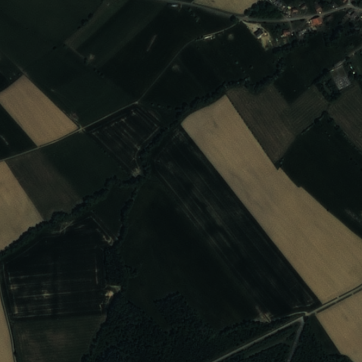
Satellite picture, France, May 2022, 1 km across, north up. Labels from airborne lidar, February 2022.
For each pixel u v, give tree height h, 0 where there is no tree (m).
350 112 0
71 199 0
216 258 0
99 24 0
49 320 0
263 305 0
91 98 0
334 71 0
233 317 0
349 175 0
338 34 22
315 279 0
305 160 0
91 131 0
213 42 0
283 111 0
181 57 0
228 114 0
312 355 11
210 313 0
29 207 0
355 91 0
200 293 0
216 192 0
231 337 7
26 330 0
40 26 0
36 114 0
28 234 16
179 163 0
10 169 0
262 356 11
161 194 0
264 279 0
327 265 0
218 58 0
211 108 0
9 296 0
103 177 0
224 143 0
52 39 0
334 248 0
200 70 0
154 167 0
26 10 0
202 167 0
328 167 0
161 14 0
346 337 0
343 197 0
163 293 0
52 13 0
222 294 0
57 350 0
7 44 0
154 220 0
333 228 0
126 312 23
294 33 7
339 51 0
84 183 0
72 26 0
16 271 0
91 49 0
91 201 20
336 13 0
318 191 0
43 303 0
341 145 0
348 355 0
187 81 0
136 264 0
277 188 0
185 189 0
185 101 0
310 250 0
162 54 0
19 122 0
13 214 0
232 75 0
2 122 0
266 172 0
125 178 0
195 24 0
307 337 13
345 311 0
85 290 0
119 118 0
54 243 0
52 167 0
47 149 0
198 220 0
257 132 0
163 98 0
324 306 0
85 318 0
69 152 0
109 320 18
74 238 0
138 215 0
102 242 0
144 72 0
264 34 0
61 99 0
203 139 0
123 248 0
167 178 0
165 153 0
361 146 0
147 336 14
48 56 0
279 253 0
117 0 0
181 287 0
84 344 0
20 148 0
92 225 0
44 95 0
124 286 17
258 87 15
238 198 0
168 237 0
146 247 0
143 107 0
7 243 0
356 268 0
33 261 0
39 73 0
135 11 0
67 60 0
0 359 0
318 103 0
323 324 0
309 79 0
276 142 0
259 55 0
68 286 0
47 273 0
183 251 0
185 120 0
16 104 0
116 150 0
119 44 0
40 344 0
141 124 0
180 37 0
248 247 0
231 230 0
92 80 0
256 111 0
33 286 0
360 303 0
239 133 0
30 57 0
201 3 0
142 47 0
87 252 0
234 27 0
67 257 0
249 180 0
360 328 0
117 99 0
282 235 0
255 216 0
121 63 0
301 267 0
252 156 0
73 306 0
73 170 0
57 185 0
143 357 16
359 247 0
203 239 0
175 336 8
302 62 0
